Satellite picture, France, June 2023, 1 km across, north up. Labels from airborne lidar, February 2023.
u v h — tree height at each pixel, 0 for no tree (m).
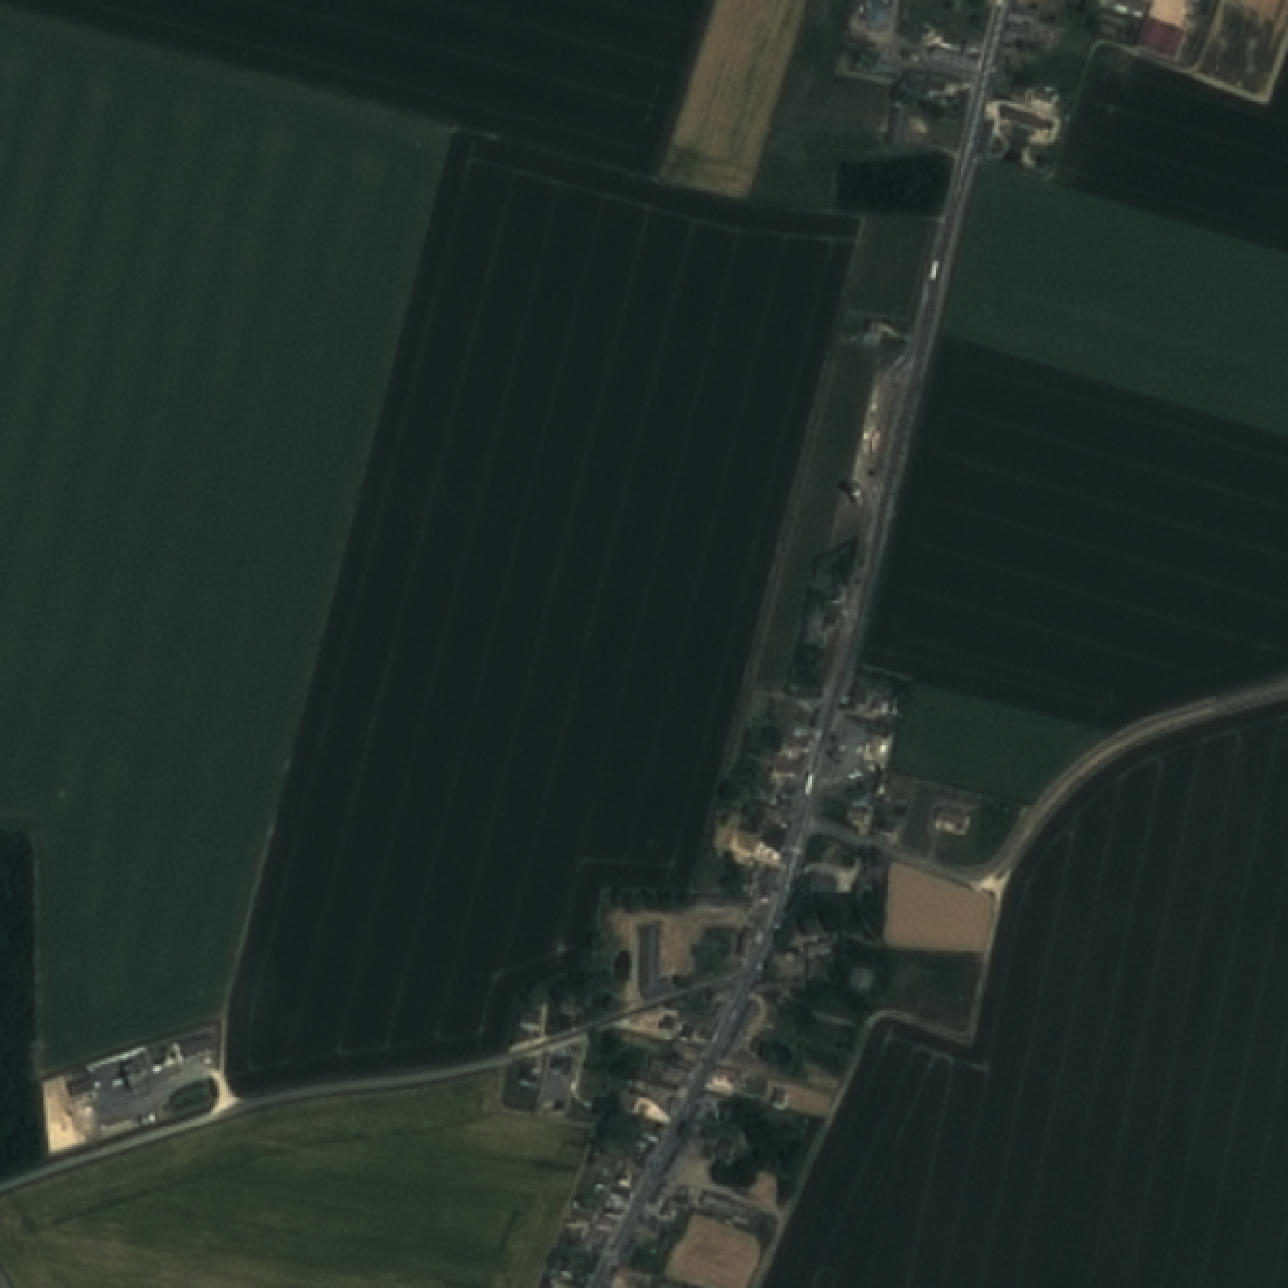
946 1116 0
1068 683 0
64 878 0
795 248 0
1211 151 0
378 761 0
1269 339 0
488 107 0
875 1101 0
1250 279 0
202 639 0
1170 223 0
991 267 0
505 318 0
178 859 0
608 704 0
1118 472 0
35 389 0
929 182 13
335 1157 0
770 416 0
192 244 0
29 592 0
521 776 0
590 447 0
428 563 0
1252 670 0
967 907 0
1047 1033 0
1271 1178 0
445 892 0
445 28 0
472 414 0
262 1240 0
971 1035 0
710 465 0
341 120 0
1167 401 0
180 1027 0
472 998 0
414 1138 0
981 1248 0
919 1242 0
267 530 0
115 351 0
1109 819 0
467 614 0
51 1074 0
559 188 0
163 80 0
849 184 6
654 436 0
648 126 0
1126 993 0
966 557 0
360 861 0
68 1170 0
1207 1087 0
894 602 0
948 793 0
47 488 0
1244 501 0
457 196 0
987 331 0
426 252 0
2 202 0
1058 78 0
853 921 8
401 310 0
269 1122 0
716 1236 0
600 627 0
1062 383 0
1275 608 0
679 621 0
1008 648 0
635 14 0
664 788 0
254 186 0
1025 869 0
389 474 0
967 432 0
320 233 0
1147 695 0
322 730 0
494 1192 0
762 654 0
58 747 0
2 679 0
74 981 0
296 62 0
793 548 0
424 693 0
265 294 0
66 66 0
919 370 0
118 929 0
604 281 0
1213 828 0
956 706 0
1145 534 0
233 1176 0
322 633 0
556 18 0
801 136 0
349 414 0
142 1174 0
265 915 0
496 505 0
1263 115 0
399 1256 0
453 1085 0
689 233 0
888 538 0
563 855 0
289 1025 0
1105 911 0
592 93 0
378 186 0
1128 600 0
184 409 0
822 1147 0
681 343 0
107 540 0
